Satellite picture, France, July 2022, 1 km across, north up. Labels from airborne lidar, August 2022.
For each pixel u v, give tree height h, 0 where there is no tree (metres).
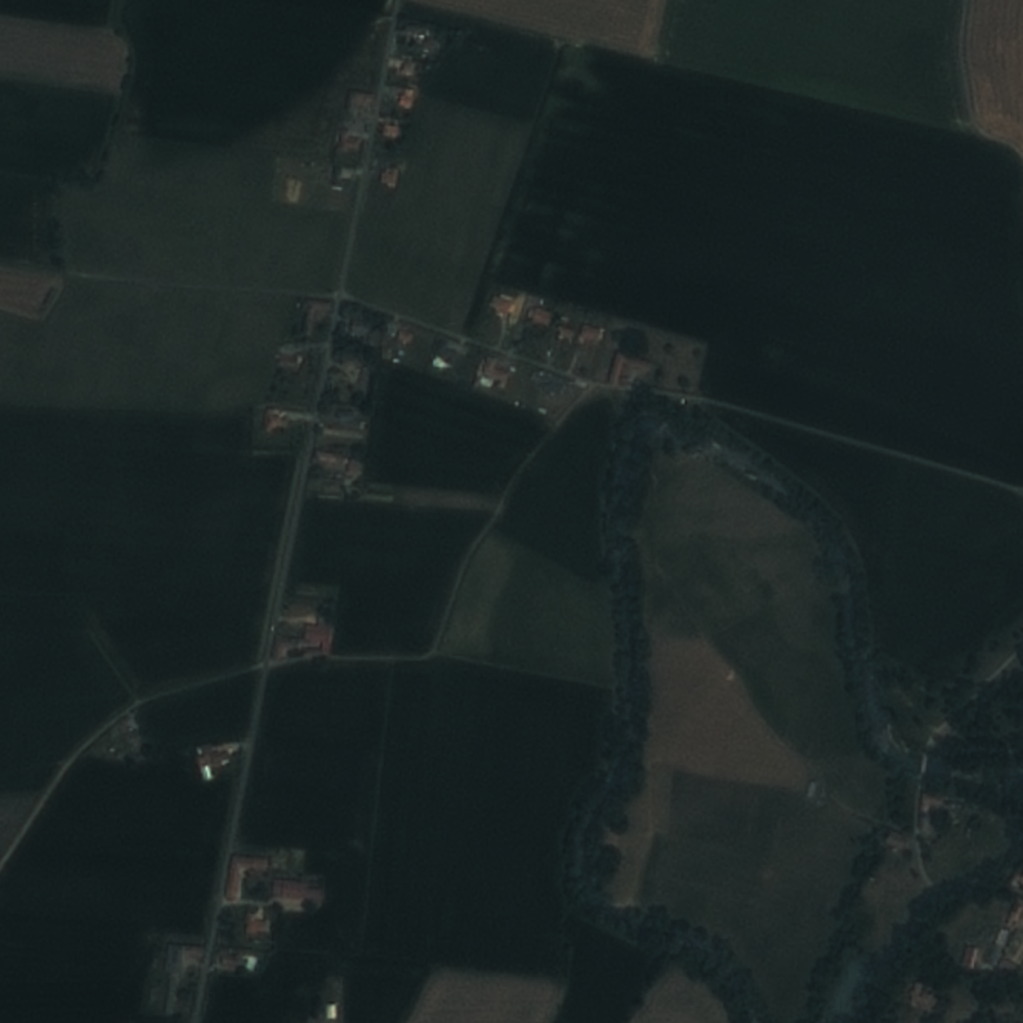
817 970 8
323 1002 12
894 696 0
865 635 16
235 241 0
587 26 0
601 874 24
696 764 0
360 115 0
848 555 21
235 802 0
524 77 0
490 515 0
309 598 0
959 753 22
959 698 14
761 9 0
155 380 0
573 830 14
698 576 0
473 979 0
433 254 0
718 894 0
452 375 0
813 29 0
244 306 0
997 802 21
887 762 15
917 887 0
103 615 0
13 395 0
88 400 0
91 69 0
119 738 0
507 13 0
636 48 0
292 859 0
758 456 8
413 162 0
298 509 0
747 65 0
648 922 17
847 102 0
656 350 0
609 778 15
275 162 0
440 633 0
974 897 16
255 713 0
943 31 0
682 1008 0
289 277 0
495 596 0
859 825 0
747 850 0
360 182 0
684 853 0
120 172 0
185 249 0
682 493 0
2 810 0
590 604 0
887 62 0
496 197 0
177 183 0
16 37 0
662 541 0
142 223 0
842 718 0
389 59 0
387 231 0
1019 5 0
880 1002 19
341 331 6
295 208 0
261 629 0
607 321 0
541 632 0
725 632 0
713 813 0
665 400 10
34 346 0
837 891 0
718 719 0
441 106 0
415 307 0
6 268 0
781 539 0
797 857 0
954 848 0
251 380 0
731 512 0
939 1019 9
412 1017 0
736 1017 18
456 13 0
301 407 0
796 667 0
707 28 0
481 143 0
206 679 0
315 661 11
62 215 0
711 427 14
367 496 0
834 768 0
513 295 0
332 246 0
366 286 0
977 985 15
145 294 0
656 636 0
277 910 8
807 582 0
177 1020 9
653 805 0
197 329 0
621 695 9
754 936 0
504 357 0
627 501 32
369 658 0
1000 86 0
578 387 0
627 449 19
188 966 0
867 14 0
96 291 0
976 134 0
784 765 0
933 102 0
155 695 0
